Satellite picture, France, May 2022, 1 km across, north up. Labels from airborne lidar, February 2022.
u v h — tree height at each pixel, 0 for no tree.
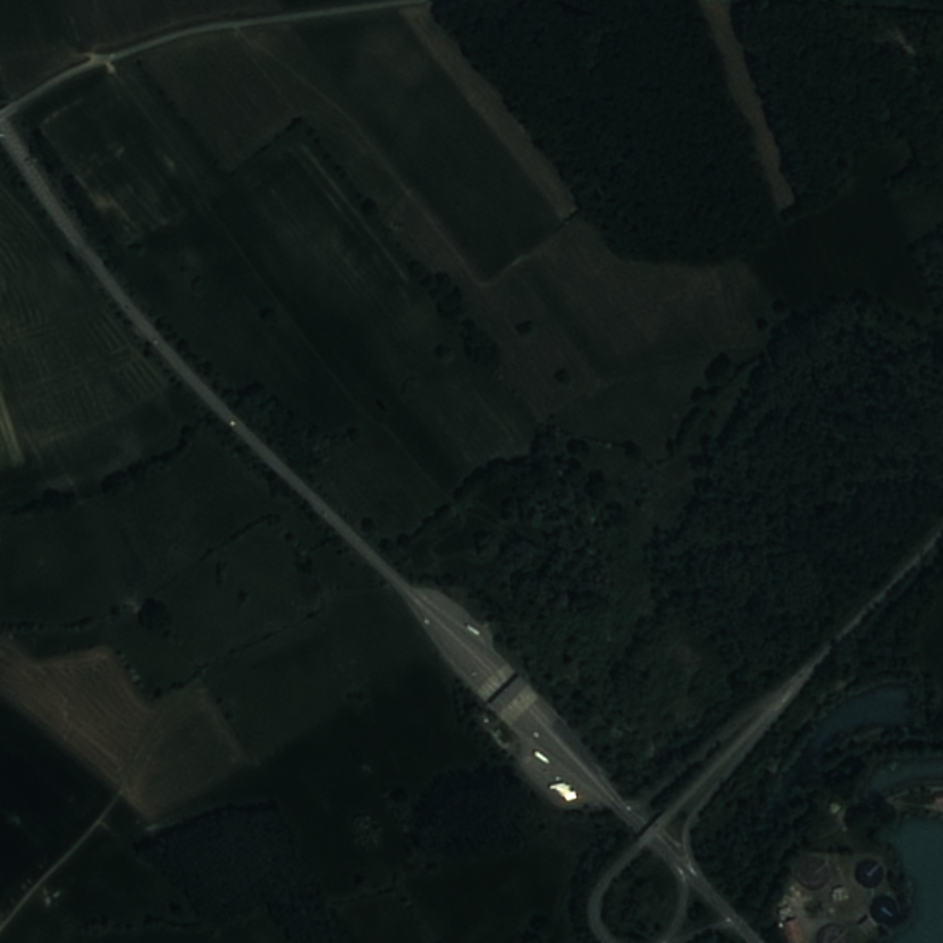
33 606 0
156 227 0
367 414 0
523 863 0
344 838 0
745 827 8
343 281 0
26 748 0
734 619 21
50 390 0
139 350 0
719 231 30
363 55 0
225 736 0
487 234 0
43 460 0
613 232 27
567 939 0
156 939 0
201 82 0
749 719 0
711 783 0
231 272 0
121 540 0
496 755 7
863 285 0
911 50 0
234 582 0
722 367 18
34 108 0
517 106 24
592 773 0
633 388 0
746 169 29
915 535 28
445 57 0
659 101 33
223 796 0
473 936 0
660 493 0
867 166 0
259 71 0
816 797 17
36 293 0
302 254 0
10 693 0
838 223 0
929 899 0
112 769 0
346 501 0
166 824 0
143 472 15
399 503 0
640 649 18
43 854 0
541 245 0
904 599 17
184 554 0
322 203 0
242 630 0
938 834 0
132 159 0
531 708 0
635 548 6
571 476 21
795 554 18
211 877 0
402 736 0
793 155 30
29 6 0
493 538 7
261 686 0
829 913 0
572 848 0
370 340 0
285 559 0
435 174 0
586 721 13
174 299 0
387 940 0
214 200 0
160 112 0
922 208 0
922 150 26
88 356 0
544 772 0
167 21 0
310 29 0
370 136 0
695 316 0
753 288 0
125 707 0
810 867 0
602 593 6
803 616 21
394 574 0
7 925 0
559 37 30
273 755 0
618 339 0
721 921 0
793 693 0
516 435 0
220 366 0
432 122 0
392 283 0
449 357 10
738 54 0
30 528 0
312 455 9
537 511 18
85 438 0
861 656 19
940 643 0
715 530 9
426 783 0
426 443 0
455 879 0
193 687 0
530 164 0
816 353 24
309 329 0
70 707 0
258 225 0
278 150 0
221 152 0
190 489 0
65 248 0
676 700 8
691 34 32
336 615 0
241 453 13
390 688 0
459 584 13
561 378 13
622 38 33
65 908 0
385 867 0
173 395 0
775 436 19
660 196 33
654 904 0
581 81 31
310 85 0
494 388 0
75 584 0
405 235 0
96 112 0
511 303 0
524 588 19
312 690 0
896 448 20
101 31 0
